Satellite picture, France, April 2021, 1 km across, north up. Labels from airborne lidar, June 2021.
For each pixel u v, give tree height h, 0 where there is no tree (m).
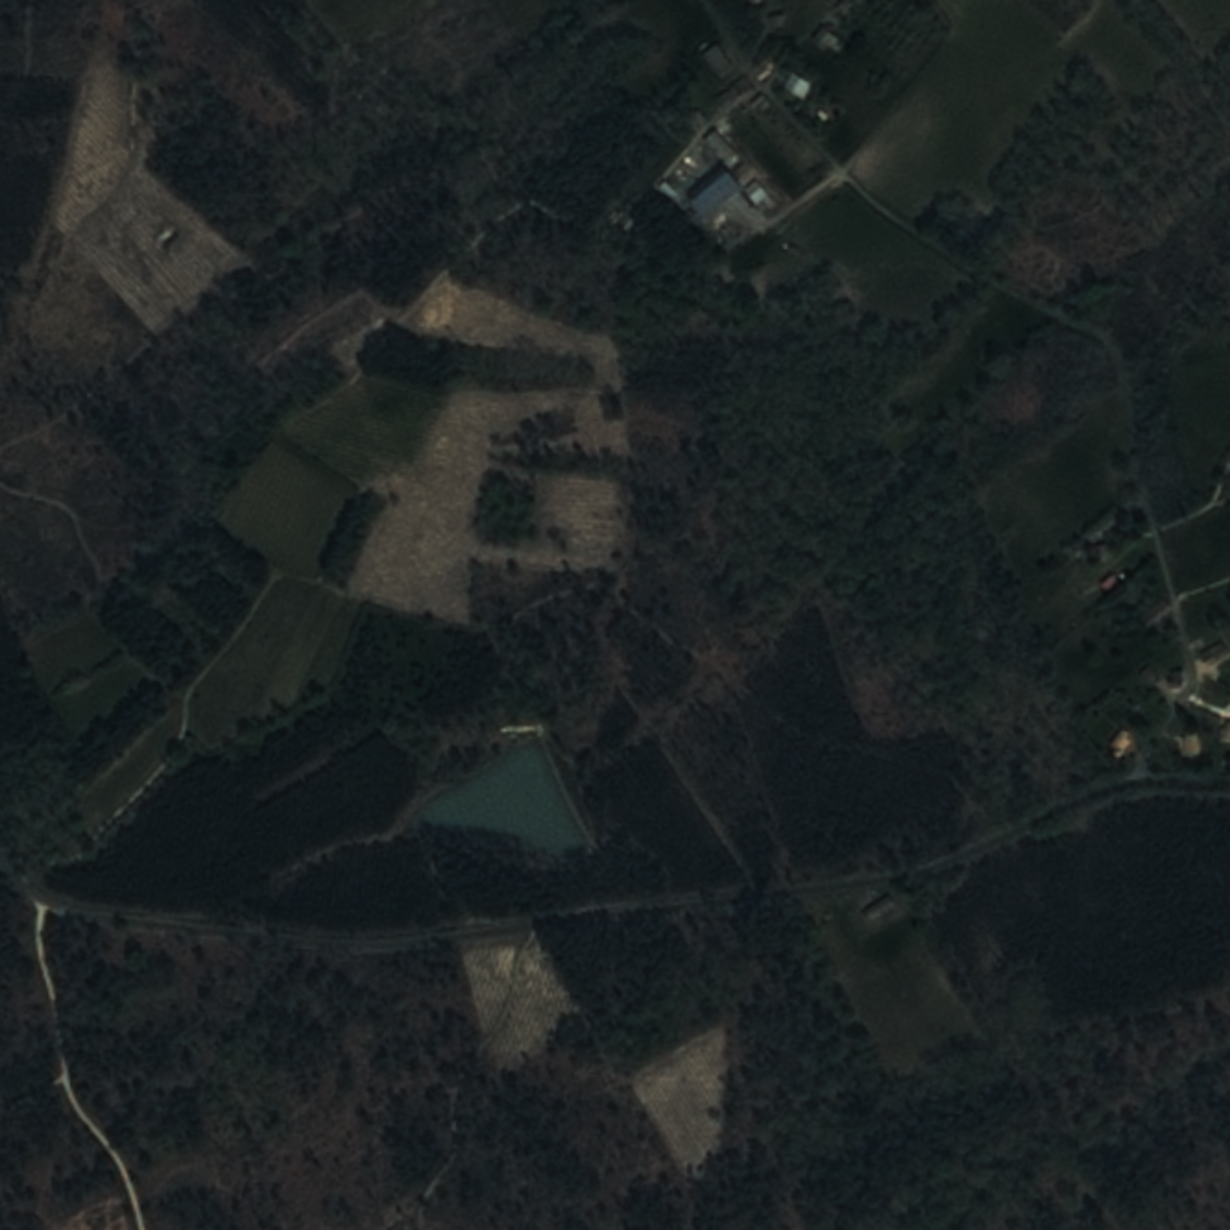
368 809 10
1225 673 0
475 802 0
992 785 13
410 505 0
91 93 0
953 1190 21
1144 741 9
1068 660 0
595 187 10
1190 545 0
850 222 0
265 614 0
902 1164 22
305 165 18
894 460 14
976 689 22
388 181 12
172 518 9
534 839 0
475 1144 8
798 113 7
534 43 7
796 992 18
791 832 12
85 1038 10
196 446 13
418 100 17
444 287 0
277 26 9
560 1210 8
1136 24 16
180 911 9
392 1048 13
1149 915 12
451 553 0
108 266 0
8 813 11
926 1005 0
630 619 14
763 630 11
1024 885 8
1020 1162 8
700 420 12
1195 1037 9
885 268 0
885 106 0
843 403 16
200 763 10
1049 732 12
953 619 27
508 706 16
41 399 12
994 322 0
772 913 24
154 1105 13
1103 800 8
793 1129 18
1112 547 12
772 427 22
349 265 9
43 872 8
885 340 15
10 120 7
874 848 11
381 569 0
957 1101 23
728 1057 12
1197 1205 15
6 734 10
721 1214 22
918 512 21
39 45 0
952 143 0
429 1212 17
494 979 0
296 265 8
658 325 15
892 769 10
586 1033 19
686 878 10
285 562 0
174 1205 12
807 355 20
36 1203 14
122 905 8
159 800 10
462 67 0
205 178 22
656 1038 17
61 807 15
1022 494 0
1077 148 14
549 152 6
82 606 14
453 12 0
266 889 9
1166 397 6
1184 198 22
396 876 9
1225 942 13
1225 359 0
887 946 0
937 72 0
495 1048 0
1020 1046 14
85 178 0
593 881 15
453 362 15
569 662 22
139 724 13
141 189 0
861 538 22
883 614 29
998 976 11
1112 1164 17
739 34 9
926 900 12
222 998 5
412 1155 18
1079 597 0
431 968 10
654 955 19
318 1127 8
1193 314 16
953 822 20
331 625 0
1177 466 9
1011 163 14
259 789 10
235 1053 16
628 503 13
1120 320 7
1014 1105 23
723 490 10
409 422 0
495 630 7
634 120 17
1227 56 18
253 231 12
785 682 10
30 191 8
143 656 15
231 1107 12
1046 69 0
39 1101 16
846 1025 10
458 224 10
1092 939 10
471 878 14
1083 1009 13
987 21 0
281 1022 16
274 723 11
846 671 10
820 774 13
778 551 20
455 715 8
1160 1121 20
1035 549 0
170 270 0
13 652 9
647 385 8
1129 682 0
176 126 18
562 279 10
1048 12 0
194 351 8
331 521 0
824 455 23
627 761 9
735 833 9
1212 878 11
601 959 19
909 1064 0
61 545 0
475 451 0
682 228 17
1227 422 0
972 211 12
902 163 0
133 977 11
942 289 0
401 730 17
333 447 0
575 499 0
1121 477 14
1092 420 0
